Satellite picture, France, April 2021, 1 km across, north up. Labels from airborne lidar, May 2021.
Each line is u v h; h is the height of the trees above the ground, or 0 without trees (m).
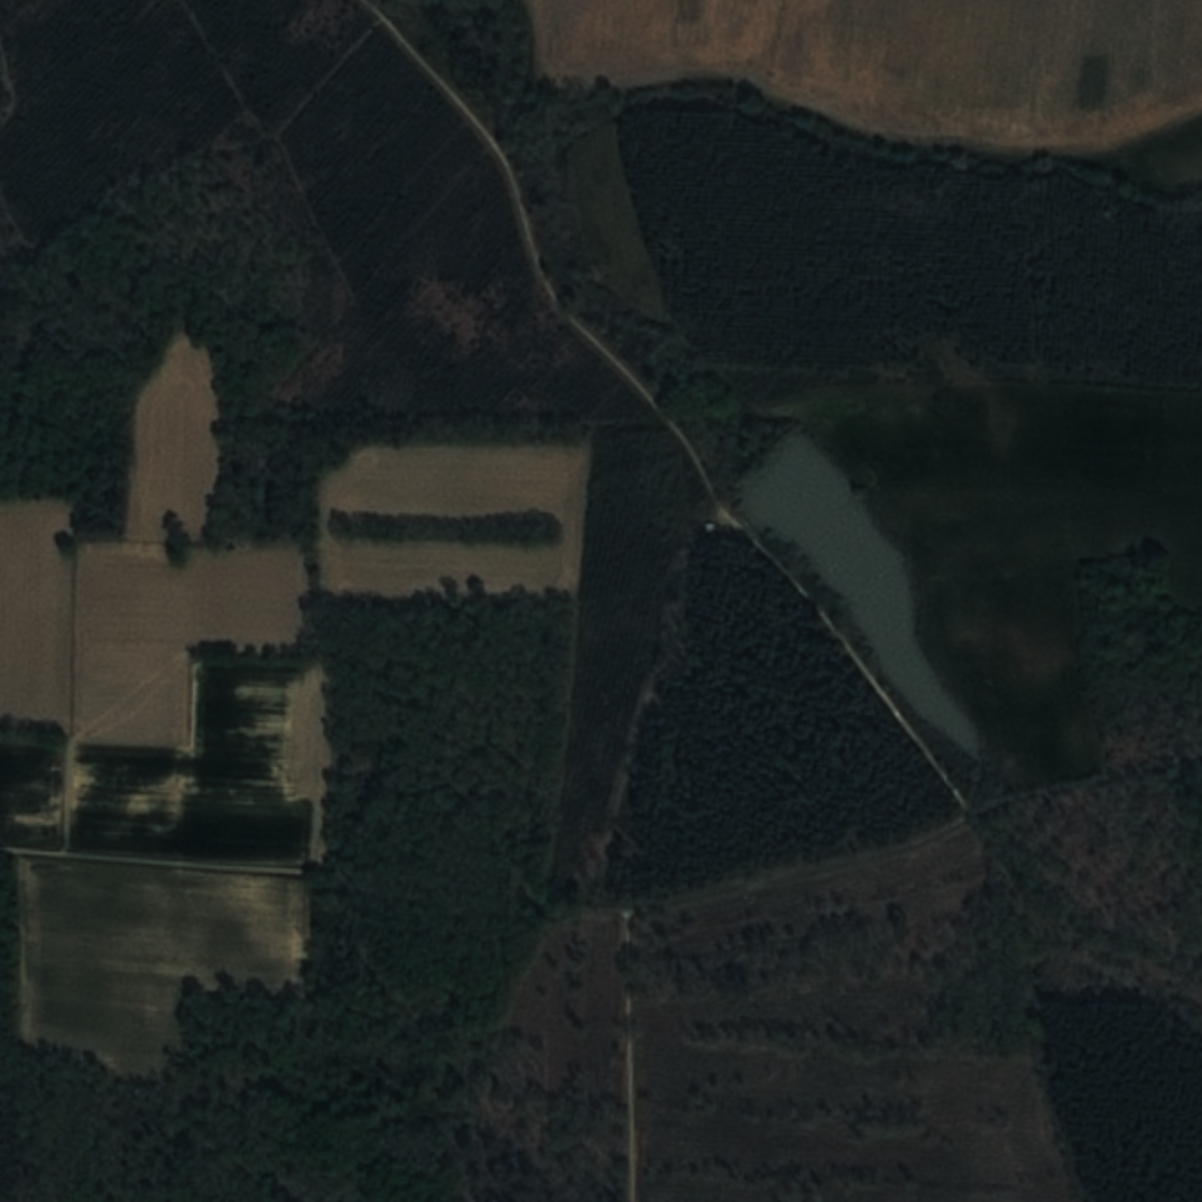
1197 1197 17
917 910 0
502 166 0
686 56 0
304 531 15
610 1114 16
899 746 20
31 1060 16
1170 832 16
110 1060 0
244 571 0
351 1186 19
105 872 0
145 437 0
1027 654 0
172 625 0
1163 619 10
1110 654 20
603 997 0
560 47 0
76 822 0
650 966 17
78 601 0
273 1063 21
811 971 10
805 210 15
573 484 0
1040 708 0
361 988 23
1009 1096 0
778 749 21
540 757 21
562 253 6
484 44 7
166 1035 0
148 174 12
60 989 0
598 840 11
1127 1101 19
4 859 17
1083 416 0
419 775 17
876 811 18
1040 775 0
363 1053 12
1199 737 12
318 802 0
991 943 18
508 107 7
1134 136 0
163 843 0
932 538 0
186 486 0
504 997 25
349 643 21
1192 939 19
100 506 18
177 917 0
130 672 0
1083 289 14
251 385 19
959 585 0
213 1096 20
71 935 0
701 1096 13
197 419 0
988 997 20
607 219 0
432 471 0
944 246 11
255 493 14
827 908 14
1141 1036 17
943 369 0
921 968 15
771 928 0
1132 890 7
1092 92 0
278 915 0
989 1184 0
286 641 0
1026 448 0
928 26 0
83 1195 20
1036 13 0
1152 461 0
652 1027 0
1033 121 0
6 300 25
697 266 12
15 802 0
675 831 19
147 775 0
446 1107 27
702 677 19
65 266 21
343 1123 19
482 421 15
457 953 24
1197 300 14
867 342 13
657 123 15
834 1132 0
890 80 0
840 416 0
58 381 23
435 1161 20
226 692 0
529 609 19
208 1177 16
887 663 0
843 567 0
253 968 0
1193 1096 17
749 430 17
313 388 8
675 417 16
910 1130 22
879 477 0
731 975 7
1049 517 0
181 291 17
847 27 0
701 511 14
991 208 14
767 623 17
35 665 0
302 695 0
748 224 14
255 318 13
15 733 15
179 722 0
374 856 18
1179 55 0
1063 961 8
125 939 0
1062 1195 0
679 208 15
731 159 13
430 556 0
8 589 0
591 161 0
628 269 0
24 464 24
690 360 13
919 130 0
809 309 13
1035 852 13
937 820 16
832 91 0
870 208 15
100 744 0
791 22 0
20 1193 17
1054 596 0
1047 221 15
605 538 6
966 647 0
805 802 14
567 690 11
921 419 0
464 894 25
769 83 0
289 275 12
